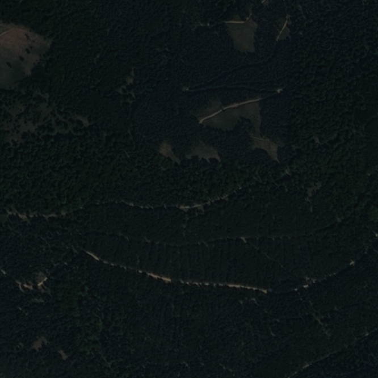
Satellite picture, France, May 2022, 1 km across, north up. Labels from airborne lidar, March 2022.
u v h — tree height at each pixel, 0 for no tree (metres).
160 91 25
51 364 20
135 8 28
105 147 23
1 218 0
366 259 27
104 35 16
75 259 32
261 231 18
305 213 16
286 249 18
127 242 21
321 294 25
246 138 26
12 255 27
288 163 31
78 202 26
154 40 28
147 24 22
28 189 27
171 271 17
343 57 28
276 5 25
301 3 32
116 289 23
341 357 14
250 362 19
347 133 26
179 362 13
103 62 19
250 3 22
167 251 17
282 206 16
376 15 32
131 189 27
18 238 28
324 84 26
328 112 26
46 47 0
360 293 25
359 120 12
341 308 19
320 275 21
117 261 21
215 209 15
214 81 19
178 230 18
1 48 0
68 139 29
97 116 20
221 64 24
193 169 26
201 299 17
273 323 16
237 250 19
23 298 21
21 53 0
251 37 0
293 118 21
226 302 18
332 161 24
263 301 24
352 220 25
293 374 16
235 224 16
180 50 29
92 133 18
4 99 9
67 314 33
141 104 24
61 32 17
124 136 24
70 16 17
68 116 13
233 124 0
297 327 22
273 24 20
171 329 17
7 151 23
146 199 26
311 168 26
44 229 12
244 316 18
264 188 23
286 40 0
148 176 20
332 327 25
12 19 18
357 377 26
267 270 19
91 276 32
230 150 24
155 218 19
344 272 24
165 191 25
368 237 32
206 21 22
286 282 23
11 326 21
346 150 25
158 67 35
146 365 26
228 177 27
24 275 25
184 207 0
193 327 24
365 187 33
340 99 20
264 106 24
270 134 26
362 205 34
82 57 17
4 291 20
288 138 24
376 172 21
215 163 25
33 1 19
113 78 14
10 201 27
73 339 30
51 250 28
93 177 28
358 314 24
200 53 24
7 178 26
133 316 21
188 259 15
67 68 18
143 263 19
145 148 28
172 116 23
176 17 19
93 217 26
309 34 33
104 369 33
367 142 17
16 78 0
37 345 0
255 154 23
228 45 24
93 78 17
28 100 15
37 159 27
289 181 24
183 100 24
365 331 9
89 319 38
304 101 27
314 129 26
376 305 24
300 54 32
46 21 23
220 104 0
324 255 25
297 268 23
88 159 29
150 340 18
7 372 16
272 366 24
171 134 24
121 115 24
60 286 33
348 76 34
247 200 17
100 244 25
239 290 13
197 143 26
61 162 30
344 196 24
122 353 43
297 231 17
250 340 20
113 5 30
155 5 22
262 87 26
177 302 17
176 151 24
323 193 13
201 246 15
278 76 24
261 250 16
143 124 23
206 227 20
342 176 29
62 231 25
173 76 28
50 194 28
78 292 26
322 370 11
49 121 6
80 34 17
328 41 34
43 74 8
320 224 20
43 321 22
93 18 19
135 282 18
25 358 13
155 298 19
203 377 31
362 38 29
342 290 27
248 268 17
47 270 28
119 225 24
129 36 23
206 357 33
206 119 0
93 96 23
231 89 19
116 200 22
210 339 24
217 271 22
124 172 23
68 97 19
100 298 35
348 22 33
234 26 0
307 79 30
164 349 23
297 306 28
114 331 42
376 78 15
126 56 19
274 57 22
